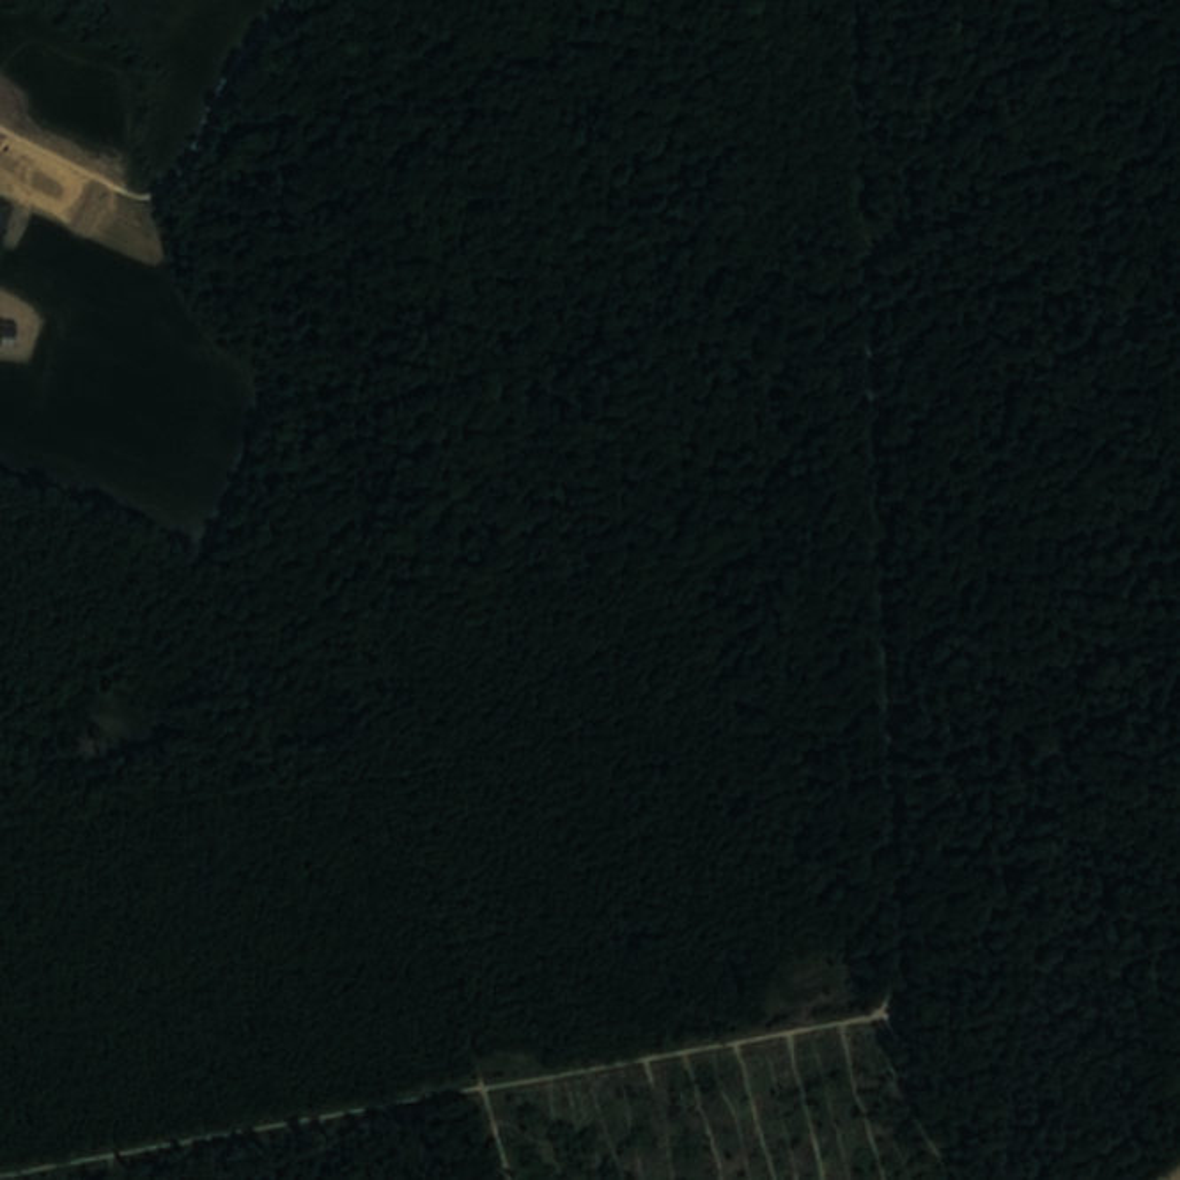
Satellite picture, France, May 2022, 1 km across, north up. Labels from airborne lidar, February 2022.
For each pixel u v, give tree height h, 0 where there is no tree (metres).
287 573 28
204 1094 19
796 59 30
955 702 30
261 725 24
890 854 30
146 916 17
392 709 21
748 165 31
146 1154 0
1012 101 30
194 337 0
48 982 16
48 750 28
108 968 16
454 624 22
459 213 24
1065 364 28
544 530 31
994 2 26
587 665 23
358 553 27
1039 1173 31
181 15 0
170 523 0
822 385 30
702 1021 8
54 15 7
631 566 30
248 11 0
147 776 25
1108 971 12
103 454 0
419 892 19
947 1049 29
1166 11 29
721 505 28
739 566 29
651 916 23
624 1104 0
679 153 25
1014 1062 33
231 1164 33
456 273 29
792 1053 0
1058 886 30
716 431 33
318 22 29
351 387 23
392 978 19
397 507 31
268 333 29
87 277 0
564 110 25
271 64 28
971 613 31
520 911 23
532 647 23
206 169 20
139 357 0
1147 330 30
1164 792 32
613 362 30
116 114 0
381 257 27
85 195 0
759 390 29
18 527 26
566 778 25
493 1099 0
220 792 19
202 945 17
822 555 31
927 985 21
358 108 24
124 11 0
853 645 29
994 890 33
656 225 26
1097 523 29
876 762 30
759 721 26
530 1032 24
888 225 0
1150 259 14
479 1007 22
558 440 31
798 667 30
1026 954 23
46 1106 18
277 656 25
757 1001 20
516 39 32
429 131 27
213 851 20
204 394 0
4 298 0
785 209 29
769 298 28
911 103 28
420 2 29
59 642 25
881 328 26
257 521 29
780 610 31
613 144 30
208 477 0
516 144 28
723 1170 0
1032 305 31
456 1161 6
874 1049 0
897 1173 8
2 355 0
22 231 0
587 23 27
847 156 31
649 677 25
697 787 26
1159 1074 29
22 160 0
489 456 30
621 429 29
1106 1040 31
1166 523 27
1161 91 28
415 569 30
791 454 27
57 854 18
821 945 21
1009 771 34
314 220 30
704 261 29
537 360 26
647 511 32
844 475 32
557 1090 0
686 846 23
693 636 25
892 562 29
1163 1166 24
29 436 0
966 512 31
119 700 0
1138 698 31
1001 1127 29
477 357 27
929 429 32
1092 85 29
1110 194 24
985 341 31
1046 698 19
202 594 27
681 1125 0
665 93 30
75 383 0
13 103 0
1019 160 29
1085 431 30
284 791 15
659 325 23
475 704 22
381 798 21
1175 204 28
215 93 0
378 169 26
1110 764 31
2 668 26
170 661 27
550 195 29
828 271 30
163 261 0
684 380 30
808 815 28
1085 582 33
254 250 31
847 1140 0
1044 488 26
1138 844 30
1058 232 32
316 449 31
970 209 29
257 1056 15
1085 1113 33
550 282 26
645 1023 24
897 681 14
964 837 32
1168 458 27
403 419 29
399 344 26
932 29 28
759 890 26
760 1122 0
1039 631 30
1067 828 30
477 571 32
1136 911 30
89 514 28
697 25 24
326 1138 30
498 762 24
